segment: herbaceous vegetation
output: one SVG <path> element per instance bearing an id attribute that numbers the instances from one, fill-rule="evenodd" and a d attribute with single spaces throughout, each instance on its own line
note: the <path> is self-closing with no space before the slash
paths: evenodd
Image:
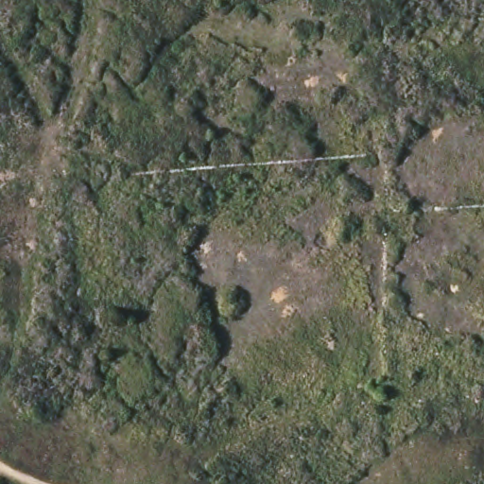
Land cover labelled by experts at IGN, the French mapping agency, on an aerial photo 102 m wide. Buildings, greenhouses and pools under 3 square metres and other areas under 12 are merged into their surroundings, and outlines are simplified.
<path id="1" fill-rule="evenodd" d="M 223 193 L 216 193 L 216 219 L 210 225 L 210 229 L 214 233 L 231 231 L 234 240 L 244 240 L 246 244 L 265 246 L 268 242 L 276 242 L 278 248 L 282 248 L 287 242 L 301 242 L 302 248 L 306 250 L 318 248 L 316 257 L 310 257 L 308 267 L 321 267 L 329 272 L 323 285 L 323 308 L 335 308 L 338 304 L 338 308 L 348 308 L 352 312 L 354 320 L 371 321 L 380 304 L 378 287 L 382 242 L 388 240 L 389 250 L 397 253 L 403 242 L 406 242 L 406 248 L 410 248 L 425 236 L 423 199 L 414 197 L 406 187 L 403 164 L 391 163 L 388 151 L 384 149 L 386 142 L 395 144 L 393 136 L 389 134 L 388 117 L 378 117 L 374 121 L 369 121 L 367 113 L 376 106 L 376 95 L 372 93 L 371 76 L 365 74 L 365 70 L 359 66 L 365 62 L 365 57 L 350 53 L 348 40 L 335 43 L 331 36 L 335 23 L 327 21 L 327 15 L 316 15 L 314 6 L 308 4 L 308 0 L 276 0 L 270 6 L 270 15 L 274 21 L 270 25 L 261 17 L 251 19 L 248 13 L 238 15 L 233 11 L 227 15 L 223 11 L 214 11 L 206 15 L 204 21 L 200 21 L 199 25 L 193 26 L 191 30 L 200 42 L 208 42 L 208 36 L 216 34 L 225 40 L 240 36 L 242 42 L 257 40 L 267 45 L 267 55 L 261 60 L 263 70 L 257 79 L 250 79 L 248 85 L 261 96 L 263 108 L 270 106 L 274 112 L 278 112 L 287 106 L 287 112 L 293 115 L 295 123 L 308 130 L 306 142 L 314 149 L 308 157 L 308 163 L 302 164 L 301 168 L 297 168 L 295 164 L 284 164 L 284 170 L 276 170 L 276 166 L 270 166 L 270 176 L 263 185 L 261 199 L 253 208 L 253 214 L 248 214 L 250 199 L 246 197 L 244 189 L 236 191 L 229 202 L 223 200 Z M 293 28 L 295 21 L 299 19 L 323 23 L 323 38 L 310 36 L 299 40 Z M 372 200 L 363 200 L 361 193 L 352 183 L 355 176 L 363 178 L 371 185 L 374 193 Z M 344 221 L 350 214 L 357 214 L 363 219 L 363 233 L 352 236 L 350 242 L 344 242 L 338 236 L 337 242 L 329 246 L 323 236 L 327 231 L 329 219 L 333 217 Z"/>
<path id="2" fill-rule="evenodd" d="M 11 420 L 4 408 L 4 397 L 0 393 L 0 461 L 49 484 L 166 484 L 170 456 L 168 452 L 155 452 L 155 442 L 161 441 L 164 437 L 164 427 L 144 431 L 142 425 L 129 422 L 127 412 L 113 399 L 102 399 L 100 395 L 89 397 L 81 391 L 74 391 L 74 406 L 66 410 L 62 420 L 45 422 L 38 410 L 32 410 L 28 418 Z"/>
<path id="3" fill-rule="evenodd" d="M 60 104 L 59 115 L 53 113 L 53 98 L 47 74 L 51 72 L 57 79 L 62 78 L 59 66 L 53 66 L 51 60 L 45 59 L 42 64 L 34 64 L 34 72 L 28 72 L 25 78 L 21 78 L 15 62 L 9 59 L 8 53 L 0 45 L 0 62 L 6 68 L 9 81 L 13 85 L 11 93 L 4 96 L 0 106 L 0 342 L 8 344 L 13 350 L 11 363 L 17 365 L 23 348 L 28 348 L 30 352 L 42 352 L 45 337 L 36 320 L 43 314 L 45 318 L 53 320 L 49 295 L 62 295 L 62 284 L 70 267 L 62 259 L 62 221 L 51 223 L 51 217 L 55 217 L 55 212 L 62 212 L 62 208 L 55 206 L 53 202 L 53 193 L 59 191 L 59 187 L 53 181 L 53 174 L 68 176 L 68 161 L 60 157 L 60 153 L 70 153 L 72 147 L 76 146 L 74 130 L 83 130 L 91 136 L 91 144 L 83 146 L 85 153 L 106 151 L 104 138 L 96 130 L 83 125 L 83 112 L 87 108 L 89 91 L 100 91 L 96 74 L 100 64 L 104 62 L 106 55 L 112 55 L 117 49 L 115 30 L 119 26 L 102 17 L 104 9 L 110 9 L 117 17 L 123 17 L 121 4 L 113 0 L 83 0 L 81 34 L 76 53 L 72 55 L 70 62 L 72 89 L 70 96 Z"/>

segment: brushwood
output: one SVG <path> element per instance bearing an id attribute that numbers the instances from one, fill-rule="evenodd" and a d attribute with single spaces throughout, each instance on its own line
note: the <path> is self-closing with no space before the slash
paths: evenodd
<path id="1" fill-rule="evenodd" d="M 371 185 L 363 178 L 355 176 L 352 183 L 361 193 L 363 200 L 372 200 L 374 193 Z"/>
<path id="2" fill-rule="evenodd" d="M 299 19 L 295 21 L 293 28 L 299 40 L 310 36 L 323 38 L 323 23 Z"/>
<path id="3" fill-rule="evenodd" d="M 365 70 L 365 74 L 371 76 L 372 93 L 376 95 L 376 106 L 367 113 L 369 121 L 374 121 L 378 117 L 388 117 L 389 134 L 393 136 L 395 144 L 386 142 L 384 149 L 388 151 L 391 163 L 403 164 L 406 157 L 412 153 L 412 147 L 433 130 L 431 119 L 439 117 L 444 121 L 456 121 L 463 125 L 469 119 L 476 119 L 480 123 L 484 119 L 484 0 L 308 0 L 308 4 L 314 6 L 316 15 L 327 15 L 327 21 L 335 23 L 331 36 L 335 43 L 348 40 L 350 53 L 365 57 L 365 62 L 359 66 Z"/>
<path id="4" fill-rule="evenodd" d="M 327 231 L 323 236 L 329 246 L 337 242 L 338 236 L 344 242 L 350 242 L 352 236 L 363 233 L 363 219 L 357 214 L 350 214 L 344 221 L 333 217 L 329 219 Z"/>
<path id="5" fill-rule="evenodd" d="M 484 333 L 473 335 L 471 331 L 459 331 L 459 337 L 446 338 L 446 333 L 441 329 L 429 327 L 427 321 L 418 318 L 412 312 L 412 299 L 405 289 L 406 276 L 403 272 L 397 276 L 395 289 L 391 291 L 393 299 L 388 302 L 388 306 L 380 304 L 371 321 L 354 320 L 352 312 L 348 308 L 338 308 L 338 304 L 335 308 L 323 308 L 316 310 L 314 316 L 310 316 L 310 320 L 306 321 L 293 312 L 289 318 L 295 321 L 297 329 L 291 333 L 291 337 L 265 338 L 259 344 L 253 342 L 248 355 L 242 357 L 244 369 L 236 372 L 227 367 L 223 363 L 225 357 L 217 354 L 216 338 L 210 333 L 210 312 L 200 306 L 199 293 L 195 291 L 195 287 L 189 285 L 195 276 L 195 270 L 187 267 L 185 257 L 187 242 L 189 236 L 193 236 L 193 231 L 199 225 L 206 225 L 210 229 L 210 225 L 216 219 L 216 193 L 223 193 L 223 200 L 229 202 L 236 191 L 244 189 L 246 197 L 250 199 L 248 214 L 253 214 L 253 208 L 261 199 L 263 185 L 270 176 L 270 166 L 255 166 L 253 161 L 308 157 L 314 149 L 306 142 L 308 130 L 295 123 L 293 115 L 287 112 L 287 106 L 278 112 L 274 112 L 270 106 L 263 108 L 261 96 L 248 85 L 250 79 L 257 79 L 263 70 L 261 60 L 267 55 L 267 45 L 257 40 L 242 42 L 240 36 L 225 40 L 216 34 L 208 36 L 208 42 L 200 42 L 191 30 L 193 26 L 199 25 L 200 21 L 204 21 L 206 15 L 214 11 L 223 11 L 227 15 L 233 11 L 238 15 L 248 13 L 251 19 L 261 17 L 270 25 L 274 21 L 270 15 L 270 6 L 276 0 L 113 0 L 121 4 L 123 17 L 117 17 L 110 9 L 104 9 L 102 17 L 119 26 L 115 30 L 117 49 L 112 55 L 106 55 L 104 62 L 100 64 L 96 74 L 100 91 L 89 91 L 87 108 L 83 112 L 83 125 L 96 130 L 104 138 L 106 151 L 85 153 L 83 146 L 91 144 L 91 136 L 83 130 L 74 130 L 76 146 L 72 147 L 70 153 L 60 153 L 60 157 L 68 161 L 68 176 L 53 174 L 53 181 L 59 187 L 59 191 L 53 193 L 53 202 L 55 206 L 62 208 L 62 212 L 55 212 L 55 217 L 51 217 L 51 223 L 62 221 L 62 259 L 70 267 L 62 284 L 62 295 L 49 295 L 53 320 L 45 318 L 43 314 L 36 320 L 45 337 L 42 352 L 30 352 L 28 348 L 23 348 L 17 365 L 11 363 L 13 350 L 8 344 L 0 342 L 0 393 L 4 397 L 4 408 L 11 420 L 28 418 L 32 410 L 38 410 L 45 422 L 62 420 L 66 410 L 74 406 L 74 391 L 81 391 L 89 397 L 100 395 L 102 399 L 113 399 L 127 412 L 129 422 L 142 425 L 144 431 L 164 427 L 164 437 L 161 441 L 155 442 L 155 452 L 168 452 L 170 456 L 166 484 L 484 484 Z M 170 174 L 170 168 L 221 163 L 244 163 L 244 168 Z"/>
<path id="6" fill-rule="evenodd" d="M 51 60 L 53 66 L 59 66 L 62 78 L 57 79 L 51 72 L 47 74 L 53 98 L 53 113 L 59 115 L 60 104 L 70 96 L 72 89 L 70 62 L 72 55 L 76 53 L 81 34 L 83 0 L 0 0 L 0 45 L 8 53 L 9 59 L 15 62 L 21 78 L 25 78 L 28 72 L 34 72 L 34 64 L 42 64 L 45 59 Z"/>
<path id="7" fill-rule="evenodd" d="M 0 106 L 4 96 L 11 93 L 13 85 L 9 81 L 6 68 L 0 62 Z"/>
<path id="8" fill-rule="evenodd" d="M 216 293 L 217 310 L 219 316 L 227 318 L 233 314 L 234 293 L 229 287 L 223 287 Z"/>

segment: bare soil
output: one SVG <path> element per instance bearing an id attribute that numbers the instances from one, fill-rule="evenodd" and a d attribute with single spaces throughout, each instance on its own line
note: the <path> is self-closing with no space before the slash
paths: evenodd
<path id="1" fill-rule="evenodd" d="M 170 174 L 244 168 L 244 163 L 221 163 L 170 168 Z"/>
<path id="2" fill-rule="evenodd" d="M 265 246 L 246 244 L 244 240 L 234 240 L 231 231 L 214 233 L 210 229 L 206 225 L 199 225 L 193 231 L 193 236 L 189 236 L 187 242 L 185 257 L 187 267 L 195 270 L 195 276 L 189 285 L 195 287 L 195 291 L 199 293 L 200 306 L 210 312 L 210 333 L 216 338 L 217 354 L 225 357 L 223 363 L 227 367 L 236 372 L 244 369 L 242 357 L 248 355 L 253 342 L 259 344 L 265 338 L 291 337 L 291 333 L 297 329 L 295 321 L 289 318 L 293 312 L 306 321 L 310 320 L 310 316 L 314 316 L 316 310 L 323 308 L 323 285 L 329 272 L 321 267 L 308 267 L 310 257 L 316 257 L 318 248 L 306 250 L 302 248 L 301 242 L 287 242 L 282 248 L 278 248 L 276 242 L 268 242 Z M 229 287 L 234 293 L 233 314 L 227 318 L 219 316 L 217 310 L 216 293 L 223 287 Z"/>
<path id="3" fill-rule="evenodd" d="M 301 168 L 302 164 L 308 163 L 308 157 L 253 161 L 255 166 L 270 166 L 276 166 L 276 170 L 284 170 L 284 164 L 295 164 L 297 168 Z"/>
<path id="4" fill-rule="evenodd" d="M 378 287 L 380 304 L 388 306 L 388 302 L 393 299 L 391 291 L 395 289 L 397 276 L 403 272 L 406 276 L 405 289 L 412 299 L 412 312 L 418 318 L 427 321 L 429 327 L 441 329 L 446 333 L 446 338 L 459 337 L 459 331 L 471 331 L 473 335 L 484 333 L 484 119 L 480 123 L 476 119 L 469 119 L 463 125 L 456 121 L 444 121 L 439 117 L 431 119 L 433 130 L 412 147 L 412 153 L 406 157 L 403 164 L 406 187 L 414 197 L 423 199 L 425 236 L 410 248 L 406 248 L 406 242 L 403 242 L 397 253 L 389 250 L 388 240 L 382 242 Z"/>

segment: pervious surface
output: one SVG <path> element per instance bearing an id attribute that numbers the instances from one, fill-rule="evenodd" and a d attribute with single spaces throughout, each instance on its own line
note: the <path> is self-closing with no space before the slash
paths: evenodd
<path id="1" fill-rule="evenodd" d="M 49 484 L 0 461 L 0 484 Z"/>

